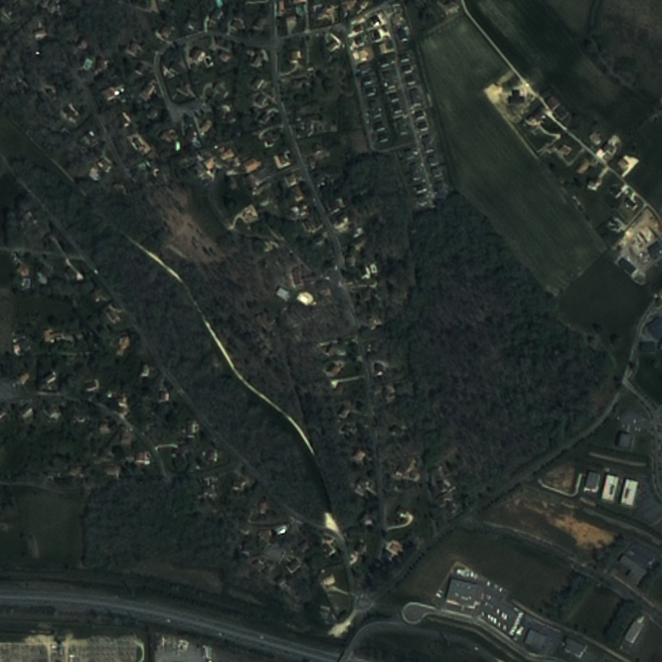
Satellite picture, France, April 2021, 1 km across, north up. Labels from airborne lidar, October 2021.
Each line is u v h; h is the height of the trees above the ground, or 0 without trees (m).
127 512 22
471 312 20
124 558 18
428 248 21
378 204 23
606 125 0
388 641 0
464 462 18
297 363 12
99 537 19
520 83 0
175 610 0
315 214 8
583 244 0
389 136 8
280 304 0
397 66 0
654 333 0
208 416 20
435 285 22
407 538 7
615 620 14
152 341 21
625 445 0
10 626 0
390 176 24
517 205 0
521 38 0
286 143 11
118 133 17
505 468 14
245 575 25
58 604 0
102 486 0
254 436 25
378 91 0
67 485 11
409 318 24
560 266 0
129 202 18
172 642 0
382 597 0
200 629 0
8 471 0
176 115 0
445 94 0
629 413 0
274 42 0
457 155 0
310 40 9
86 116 11
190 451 16
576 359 8
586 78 0
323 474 22
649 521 0
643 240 0
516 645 0
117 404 12
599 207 0
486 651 0
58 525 0
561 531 0
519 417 23
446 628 0
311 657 0
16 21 14
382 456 19
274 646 0
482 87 0
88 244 19
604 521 0
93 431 13
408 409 19
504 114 0
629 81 14
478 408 25
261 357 16
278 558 0
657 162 0
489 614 0
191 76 9
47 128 15
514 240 0
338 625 0
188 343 23
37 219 23
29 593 0
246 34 13
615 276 0
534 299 26
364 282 15
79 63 16
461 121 0
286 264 21
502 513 0
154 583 7
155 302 22
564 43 0
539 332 28
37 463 8
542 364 22
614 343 15
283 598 21
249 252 17
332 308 14
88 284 12
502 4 0
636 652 0
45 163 0
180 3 22
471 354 19
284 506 20
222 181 0
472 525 0
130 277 16
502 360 9
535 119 0
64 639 0
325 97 8
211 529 15
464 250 31
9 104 21
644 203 0
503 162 0
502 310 23
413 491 16
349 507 22
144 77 8
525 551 0
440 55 0
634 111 0
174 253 0
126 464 7
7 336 0
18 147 0
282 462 15
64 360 9
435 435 20
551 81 0
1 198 0
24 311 0
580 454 0
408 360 15
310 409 19
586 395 12
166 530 13
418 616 0
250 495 15
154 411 7
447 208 20
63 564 0
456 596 0
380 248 16
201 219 0
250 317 0
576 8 0
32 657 0
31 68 24
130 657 0
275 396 18
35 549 0
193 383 16
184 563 16
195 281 23
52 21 12
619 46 0
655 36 0
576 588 26
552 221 0
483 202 0
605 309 0
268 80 0
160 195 27
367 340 18
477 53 0
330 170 6
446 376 20
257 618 10
